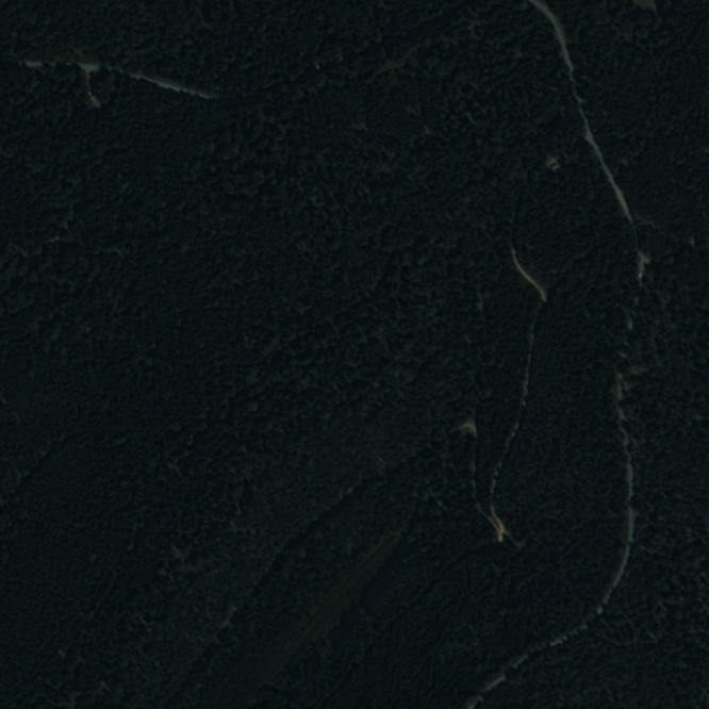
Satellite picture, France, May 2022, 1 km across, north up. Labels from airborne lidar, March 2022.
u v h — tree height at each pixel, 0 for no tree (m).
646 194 23
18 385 22
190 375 20
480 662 15
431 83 14
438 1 24
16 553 20
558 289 17
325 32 20
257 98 29
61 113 28
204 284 18
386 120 17
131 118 27
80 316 16
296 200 31
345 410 28
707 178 22
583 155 24
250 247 25
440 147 30
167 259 28
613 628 21
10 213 33
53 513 21
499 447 19
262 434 11
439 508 34
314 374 20
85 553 21
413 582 24
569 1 21
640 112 22
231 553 29
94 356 22
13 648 15
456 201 28
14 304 25
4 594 17
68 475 20
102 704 10
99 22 26
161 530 27
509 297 11
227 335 25
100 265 17
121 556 27
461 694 16
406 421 32
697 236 22
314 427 30
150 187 25
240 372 29
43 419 21
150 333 24
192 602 28
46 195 27
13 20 27
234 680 30
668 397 33
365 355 30
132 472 21
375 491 25
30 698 19
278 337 7
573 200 23
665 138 20
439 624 15
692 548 21
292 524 22
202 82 24
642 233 21
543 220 22
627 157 24
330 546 18
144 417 20
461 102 8
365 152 7
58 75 18
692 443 33
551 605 28
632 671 22
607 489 25
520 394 12
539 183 22
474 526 25
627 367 23
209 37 23
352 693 12
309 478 20
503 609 21
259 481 29
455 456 25
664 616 8
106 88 24
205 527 8
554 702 24
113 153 32
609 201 27
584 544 24
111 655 21
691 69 20
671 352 12
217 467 26
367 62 28
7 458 21
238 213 26
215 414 17
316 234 29
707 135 21
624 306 21
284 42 18
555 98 15
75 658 14
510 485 10
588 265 28
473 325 21
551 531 27
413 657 10
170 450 15
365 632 30
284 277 29
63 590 15
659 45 21
